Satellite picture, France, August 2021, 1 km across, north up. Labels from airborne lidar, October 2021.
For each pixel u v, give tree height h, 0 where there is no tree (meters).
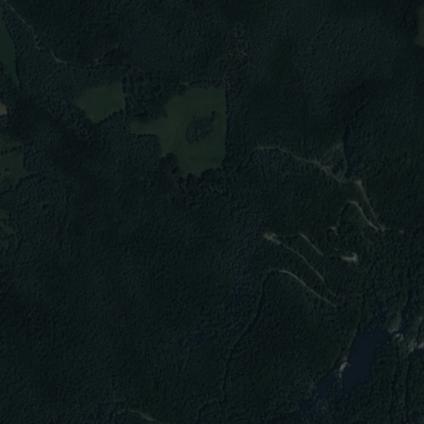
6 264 9
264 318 23
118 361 13
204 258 20
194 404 18
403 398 10
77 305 22
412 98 19
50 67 14
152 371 18
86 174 17
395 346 11
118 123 17
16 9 13
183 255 24
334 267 20
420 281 15
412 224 9
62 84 14
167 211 19
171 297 15
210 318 17
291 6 17
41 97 14
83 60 18
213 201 26
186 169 0
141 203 15
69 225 18
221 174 23
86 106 0
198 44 17
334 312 28
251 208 18
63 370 18
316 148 18
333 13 19
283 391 11
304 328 24
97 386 16
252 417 25
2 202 13
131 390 7
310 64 16
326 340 25
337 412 11
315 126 18
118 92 0
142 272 17
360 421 14
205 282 20
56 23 23
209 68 22
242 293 13
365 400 23
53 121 20
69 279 23
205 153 0
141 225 17
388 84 24
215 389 20
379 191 14
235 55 14
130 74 22
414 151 18
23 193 12
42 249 12
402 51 17
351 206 17
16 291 14
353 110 14
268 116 14
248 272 9
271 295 22
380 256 18
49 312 24
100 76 18
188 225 19
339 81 23
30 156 18
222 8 21
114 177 18
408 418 6
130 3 15
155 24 20
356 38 18
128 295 19
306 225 16
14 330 24
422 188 15
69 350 20
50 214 15
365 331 10
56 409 19
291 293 14
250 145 19
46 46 14
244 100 13
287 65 19
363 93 17
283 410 15
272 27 15
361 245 15
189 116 0
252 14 18
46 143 18
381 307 11
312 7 16
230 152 26
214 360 22
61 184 15
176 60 22
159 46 20
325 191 11
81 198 21
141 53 20
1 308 26
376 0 18
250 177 17
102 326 17
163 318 21
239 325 9
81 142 16
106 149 18
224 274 15
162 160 20
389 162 20
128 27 19
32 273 16
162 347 12
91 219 16
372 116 18
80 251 23
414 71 20
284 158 13
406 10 24
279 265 20
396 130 21
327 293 17
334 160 8
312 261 21
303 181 17
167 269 21
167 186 26
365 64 20
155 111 23
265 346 26
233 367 20
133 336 18
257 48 17
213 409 18
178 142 0
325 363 17
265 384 22
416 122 16
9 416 20
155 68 20
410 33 26
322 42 19
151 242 16
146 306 18
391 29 20
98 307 16
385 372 24
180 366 9
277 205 20
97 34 15
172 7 23
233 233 13
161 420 15
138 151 18
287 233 20
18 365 17
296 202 19
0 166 0
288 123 14
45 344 23
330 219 23
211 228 18
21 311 18
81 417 15
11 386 17
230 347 18
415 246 23
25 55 16
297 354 21
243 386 18
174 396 23
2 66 24
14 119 21
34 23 16
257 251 12
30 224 19
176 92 15
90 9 24
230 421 16
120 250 15
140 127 0
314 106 13
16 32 13
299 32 20
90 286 17
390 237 9
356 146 21
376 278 14
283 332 28
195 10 21
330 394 15
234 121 14
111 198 21
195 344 14
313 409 14
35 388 17
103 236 15
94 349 19
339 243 27
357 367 0
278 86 18
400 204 17
